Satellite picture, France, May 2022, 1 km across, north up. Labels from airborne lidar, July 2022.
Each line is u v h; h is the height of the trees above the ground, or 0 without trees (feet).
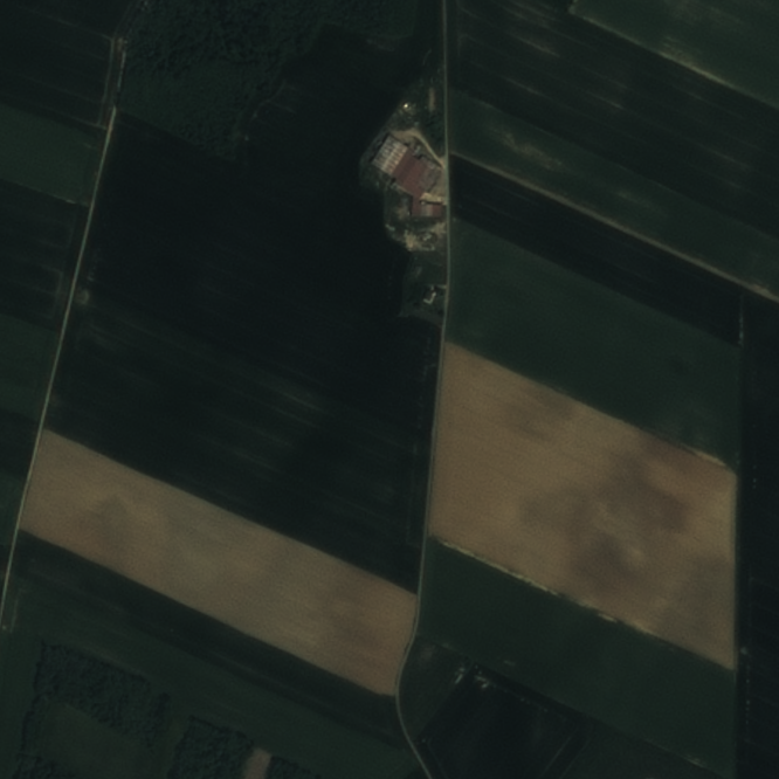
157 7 64
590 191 0
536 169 0
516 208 0
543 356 0
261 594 0
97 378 0
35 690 37
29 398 0
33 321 0
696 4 0
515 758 0
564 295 0
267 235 0
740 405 0
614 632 0
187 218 0
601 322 0
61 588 0
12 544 0
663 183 0
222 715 0
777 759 0
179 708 0
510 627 0
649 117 0
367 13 67
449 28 0
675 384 0
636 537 0
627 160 0
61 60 0
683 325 0
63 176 0
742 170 0
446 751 0
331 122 0
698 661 0
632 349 0
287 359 0
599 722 0
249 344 0
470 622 0
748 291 0
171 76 47
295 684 0
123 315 0
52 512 0
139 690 73
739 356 0
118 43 0
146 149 0
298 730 0
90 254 0
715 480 0
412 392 0
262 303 0
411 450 0
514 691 0
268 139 0
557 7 20
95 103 0
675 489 0
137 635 0
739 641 0
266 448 0
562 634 0
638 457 0
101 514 0
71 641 0
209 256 0
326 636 0
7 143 0
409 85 0
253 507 0
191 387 0
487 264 0
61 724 0
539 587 0
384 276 0
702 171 0
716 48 0
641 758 0
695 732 0
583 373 0
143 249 0
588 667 0
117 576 0
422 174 0
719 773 0
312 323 0
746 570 0
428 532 0
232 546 0
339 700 0
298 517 0
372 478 0
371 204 0
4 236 0
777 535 0
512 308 0
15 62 0
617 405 0
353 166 0
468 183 0
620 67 0
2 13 0
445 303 0
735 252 0
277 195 0
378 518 0
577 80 0
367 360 0
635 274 0
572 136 0
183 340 0
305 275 0
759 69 0
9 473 0
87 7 0
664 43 0
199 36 72
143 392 0
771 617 0
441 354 0
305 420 0
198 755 65
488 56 0
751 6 0
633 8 0
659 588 0
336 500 0
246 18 78
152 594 0
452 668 0
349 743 0
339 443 0
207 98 46
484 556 0
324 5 62
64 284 0
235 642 0
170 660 0
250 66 51
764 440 0
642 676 0
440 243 0
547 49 0
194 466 0
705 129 0
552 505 0
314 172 0
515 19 0
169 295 0
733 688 0
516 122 0
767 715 0
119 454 0
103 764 0
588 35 0
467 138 0
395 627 0
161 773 0
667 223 0
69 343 0
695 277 0
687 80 0
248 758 52
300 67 0
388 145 0
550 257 0
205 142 50
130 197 0
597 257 0
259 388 0
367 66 0
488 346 0
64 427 0
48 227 0
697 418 0
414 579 0
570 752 0
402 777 0
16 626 0
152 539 0
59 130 0
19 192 0
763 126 0
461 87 0
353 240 0
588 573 0
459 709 0
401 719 0
